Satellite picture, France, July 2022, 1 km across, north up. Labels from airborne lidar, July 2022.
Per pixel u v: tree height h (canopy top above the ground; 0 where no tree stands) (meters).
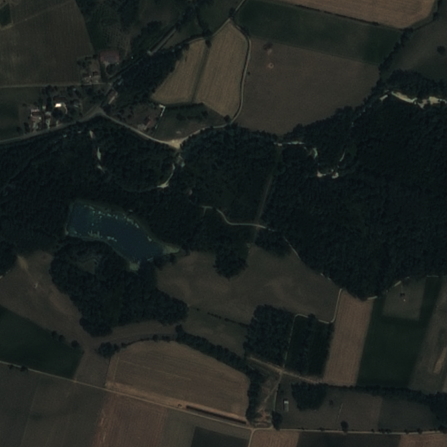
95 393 0
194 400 0
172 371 0
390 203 40
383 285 23
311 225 13
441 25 0
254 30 0
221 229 7
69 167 6
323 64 0
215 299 0
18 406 0
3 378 0
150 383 0
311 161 23
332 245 23
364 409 0
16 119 0
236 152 9
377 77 0
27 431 0
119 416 0
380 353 0
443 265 25
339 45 0
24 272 0
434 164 18
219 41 0
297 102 0
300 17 0
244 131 21
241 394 0
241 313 0
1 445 0
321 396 13
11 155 16
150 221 12
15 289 0
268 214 17
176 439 0
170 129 0
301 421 0
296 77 0
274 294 0
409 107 14
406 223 20
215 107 0
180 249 0
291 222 16
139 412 0
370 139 22
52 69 0
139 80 28
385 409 0
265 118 0
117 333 0
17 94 0
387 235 21
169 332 0
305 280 0
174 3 0
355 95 0
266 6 0
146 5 0
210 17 0
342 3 0
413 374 0
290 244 16
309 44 0
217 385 0
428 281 0
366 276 27
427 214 25
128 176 17
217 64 0
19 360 0
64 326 0
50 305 0
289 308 0
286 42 0
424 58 0
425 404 13
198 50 0
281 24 0
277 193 7
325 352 6
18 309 0
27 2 0
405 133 12
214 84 0
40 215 25
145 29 15
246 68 0
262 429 0
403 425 0
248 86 0
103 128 7
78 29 0
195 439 0
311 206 18
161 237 10
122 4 6
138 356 0
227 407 0
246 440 0
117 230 0
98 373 0
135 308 22
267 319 27
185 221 11
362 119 13
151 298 25
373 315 0
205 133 14
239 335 0
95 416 0
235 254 24
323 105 0
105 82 7
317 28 0
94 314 33
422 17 0
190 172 7
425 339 0
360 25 0
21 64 0
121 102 0
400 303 0
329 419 0
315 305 0
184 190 16
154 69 29
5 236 31
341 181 19
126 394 0
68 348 0
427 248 22
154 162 8
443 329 0
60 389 0
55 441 0
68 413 0
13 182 22
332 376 0
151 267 29
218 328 0
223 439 0
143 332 0
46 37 0
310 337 23
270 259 0
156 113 0
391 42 0
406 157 15
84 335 0
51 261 0
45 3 0
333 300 0
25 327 0
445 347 0
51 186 16
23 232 32
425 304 0
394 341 0
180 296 0
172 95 0
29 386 0
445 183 14
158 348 0
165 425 0
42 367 0
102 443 0
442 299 0
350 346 0
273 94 0
